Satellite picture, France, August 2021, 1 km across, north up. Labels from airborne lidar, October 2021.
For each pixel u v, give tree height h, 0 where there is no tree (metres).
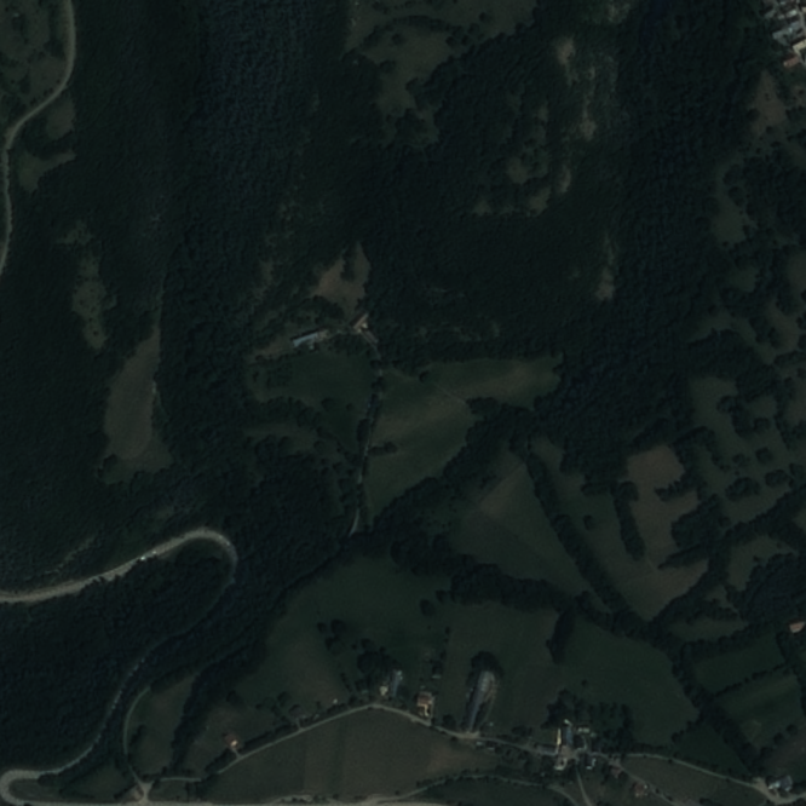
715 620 12
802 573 13
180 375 25
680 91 20
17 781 0
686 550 8
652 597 0
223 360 23
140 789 0
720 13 17
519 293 12
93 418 17
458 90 18
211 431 14
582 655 0
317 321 9
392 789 0
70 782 7
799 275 0
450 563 27
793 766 0
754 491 12
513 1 0
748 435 17
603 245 7
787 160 16
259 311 7
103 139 12
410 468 0
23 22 9
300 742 0
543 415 23
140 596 22
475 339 9
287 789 0
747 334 0
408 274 18
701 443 18
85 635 30
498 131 11
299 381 0
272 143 7
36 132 12
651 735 0
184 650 23
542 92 11
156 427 7
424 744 0
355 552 18
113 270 19
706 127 18
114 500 14
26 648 19
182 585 29
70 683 19
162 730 0
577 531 11
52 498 11
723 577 11
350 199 14
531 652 0
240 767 0
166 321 14
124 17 13
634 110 22
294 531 22
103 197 14
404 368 16
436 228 16
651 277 15
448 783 7
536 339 11
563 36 6
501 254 12
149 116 20
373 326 6
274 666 0
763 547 0
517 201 8
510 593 23
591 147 6
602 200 15
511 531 0
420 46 0
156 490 12
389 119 9
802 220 14
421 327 6
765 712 0
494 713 0
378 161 23
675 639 17
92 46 9
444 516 0
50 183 16
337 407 11
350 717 0
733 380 9
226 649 20
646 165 26
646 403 14
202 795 7
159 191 16
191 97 8
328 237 12
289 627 0
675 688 0
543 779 8
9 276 13
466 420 0
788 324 0
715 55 18
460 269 11
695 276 23
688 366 19
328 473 12
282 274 10
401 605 0
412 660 0
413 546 27
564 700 11
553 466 0
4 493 14
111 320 9
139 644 16
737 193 13
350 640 0
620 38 20
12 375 12
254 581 16
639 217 20
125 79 13
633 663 0
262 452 17
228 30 10
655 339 22
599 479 19
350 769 0
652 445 18
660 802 0
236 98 16
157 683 9
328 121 11
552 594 24
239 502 22
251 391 6
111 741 12
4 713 30
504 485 0
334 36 10
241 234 10
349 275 13
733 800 0
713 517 12
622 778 11
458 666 0
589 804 0
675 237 16
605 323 30
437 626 0
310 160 10
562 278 12
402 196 25
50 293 19
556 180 9
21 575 10
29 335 18
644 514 0
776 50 8
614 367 19
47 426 17
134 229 16
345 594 0
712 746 0
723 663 0
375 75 16
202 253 10
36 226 21
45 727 20
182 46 18
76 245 7
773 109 0
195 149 26
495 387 0
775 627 17
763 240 13
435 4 16
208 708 12
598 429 15
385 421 0
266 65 12
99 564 15
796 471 12
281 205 6
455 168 13
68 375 18
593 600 11
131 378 0
